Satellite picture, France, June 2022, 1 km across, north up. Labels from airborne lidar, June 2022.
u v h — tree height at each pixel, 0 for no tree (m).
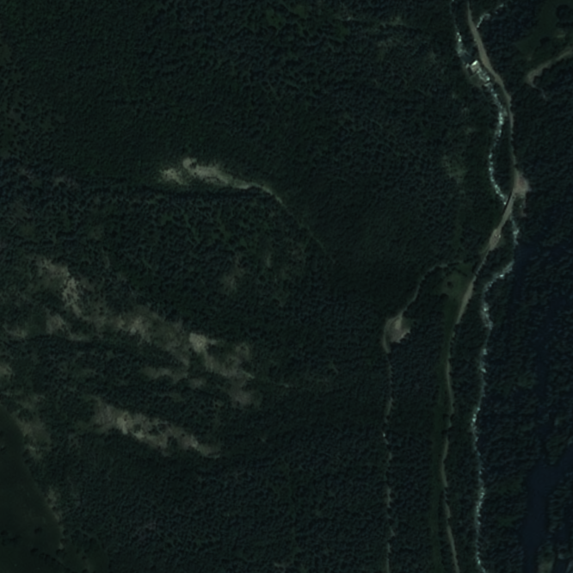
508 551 23
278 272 9
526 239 7
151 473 13
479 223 8
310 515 14
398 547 26
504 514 17
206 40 17
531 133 17
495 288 18
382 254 10
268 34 36
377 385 16
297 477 18
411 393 25
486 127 17
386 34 13
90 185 34
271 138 18
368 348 16
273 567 23
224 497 23
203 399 11
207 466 17
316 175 23
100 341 6
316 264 33
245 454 10
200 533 25
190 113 15
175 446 15
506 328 9
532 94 17
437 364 25
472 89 8
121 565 25
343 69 26
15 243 17
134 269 34
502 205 9
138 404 27
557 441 15
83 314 7
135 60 15
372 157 33
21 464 0
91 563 0
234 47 33
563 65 18
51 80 12
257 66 32
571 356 7
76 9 16
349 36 12
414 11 32
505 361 19
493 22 11
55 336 14
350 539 24
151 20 14
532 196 20
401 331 0
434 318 28
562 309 14
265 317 17
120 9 13
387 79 27
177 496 16
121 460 10
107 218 12
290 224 25
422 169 6
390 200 21
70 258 14
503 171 15
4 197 30
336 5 23
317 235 19
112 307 17
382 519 13
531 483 0
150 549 24
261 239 13
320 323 30
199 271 12
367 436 16
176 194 19
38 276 15
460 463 15
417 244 23
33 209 23
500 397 10
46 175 33
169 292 18
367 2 26
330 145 17
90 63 18
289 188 17
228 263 24
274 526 18
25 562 0
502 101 15
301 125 21
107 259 23
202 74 13
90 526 15
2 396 12
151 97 12
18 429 0
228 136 14
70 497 14
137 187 15
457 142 23
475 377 26
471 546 18
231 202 13
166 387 27
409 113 29
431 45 13
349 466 11
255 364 12
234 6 35
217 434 13
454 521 19
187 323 26
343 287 21
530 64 7
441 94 26
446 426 7
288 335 17
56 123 17
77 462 11
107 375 28
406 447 36
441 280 19
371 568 13
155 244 15
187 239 34
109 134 14
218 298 17
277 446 17
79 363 14
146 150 19
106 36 18
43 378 21
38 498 0
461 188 12
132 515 20
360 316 22
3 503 0
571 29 20
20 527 0
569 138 20
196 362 14
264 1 28
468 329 28
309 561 25
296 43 18
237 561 27
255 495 30
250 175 21
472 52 8
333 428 22
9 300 8
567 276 16
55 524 0
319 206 24
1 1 13
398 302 13
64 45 8
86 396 6
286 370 12
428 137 8
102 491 19
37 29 11
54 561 14
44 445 8
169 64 33
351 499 25
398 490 24
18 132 11
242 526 29
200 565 22
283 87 22
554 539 15
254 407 13
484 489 8
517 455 25
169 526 26
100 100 15
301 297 24
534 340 21
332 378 17
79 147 14
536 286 19
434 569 10
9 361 12
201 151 22
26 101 11
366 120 25
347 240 25
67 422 12
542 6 18
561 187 15
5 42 13
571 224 13
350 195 22
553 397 8
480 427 21
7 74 14
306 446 18
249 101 19
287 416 23
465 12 16
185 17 35
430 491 16
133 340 17
